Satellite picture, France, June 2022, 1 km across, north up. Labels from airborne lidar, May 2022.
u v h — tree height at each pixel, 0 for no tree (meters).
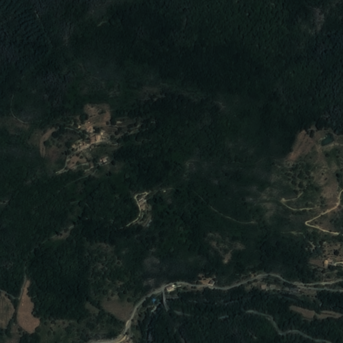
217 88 7
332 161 0
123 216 10
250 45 15
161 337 16
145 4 22
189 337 17
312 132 15
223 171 7
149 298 17
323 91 18
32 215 18
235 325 9
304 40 10
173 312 15
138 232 13
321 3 10
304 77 13
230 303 8
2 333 8
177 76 6
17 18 14
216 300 11
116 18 25
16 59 23
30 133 0
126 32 17
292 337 9
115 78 0
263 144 6
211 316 13
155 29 19
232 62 21
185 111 11
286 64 11
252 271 9
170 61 8
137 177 10
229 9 16
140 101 8
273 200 0
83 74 0
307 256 9
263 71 19
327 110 10
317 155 0
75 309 15
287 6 19
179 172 7
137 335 0
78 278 22
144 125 14
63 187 12
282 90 17
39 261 13
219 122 11
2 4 15
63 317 16
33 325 0
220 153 9
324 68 22
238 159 9
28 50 19
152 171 19
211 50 16
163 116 15
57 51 7
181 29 17
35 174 9
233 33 13
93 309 0
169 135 13
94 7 10
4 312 0
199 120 12
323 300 18
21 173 9
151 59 12
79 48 7
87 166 0
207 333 15
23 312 0
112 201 14
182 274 13
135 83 0
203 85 6
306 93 10
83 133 8
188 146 12
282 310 13
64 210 12
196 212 15
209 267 14
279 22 15
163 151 16
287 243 10
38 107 0
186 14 17
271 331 12
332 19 11
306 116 15
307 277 6
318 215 0
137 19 23
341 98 18
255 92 13
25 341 9
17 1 14
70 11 7
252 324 11
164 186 7
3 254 9
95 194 9
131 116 12
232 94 6
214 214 6
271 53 13
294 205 0
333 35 23
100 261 10
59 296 23
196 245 6
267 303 18
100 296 7
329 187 0
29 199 16
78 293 14
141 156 12
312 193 0
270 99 7
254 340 18
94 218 18
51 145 7
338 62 24
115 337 9
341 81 19
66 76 11
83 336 11
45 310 16
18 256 13
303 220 0
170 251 13
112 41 8
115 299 0
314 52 16
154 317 14
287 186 0
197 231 11
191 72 11
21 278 7
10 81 9
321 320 8
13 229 20
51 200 11
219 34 20
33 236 16
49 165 0
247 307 13
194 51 14
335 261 11
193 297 16
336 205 0
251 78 16
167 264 10
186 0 14
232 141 7
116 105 0
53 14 10
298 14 18
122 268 8
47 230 8
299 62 17
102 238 13
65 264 15
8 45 16
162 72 10
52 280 17
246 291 13
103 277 14
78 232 14
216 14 16
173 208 25
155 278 12
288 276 6
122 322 8
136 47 12
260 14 11
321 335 14
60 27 11
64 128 12
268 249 18
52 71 7
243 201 13
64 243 8
